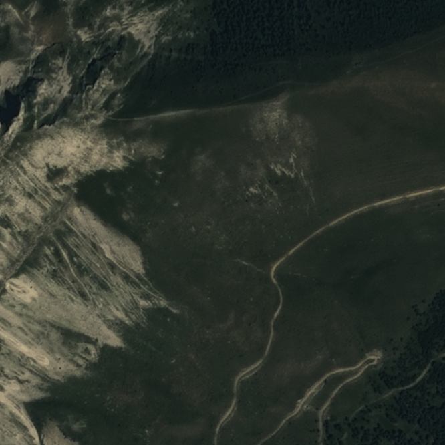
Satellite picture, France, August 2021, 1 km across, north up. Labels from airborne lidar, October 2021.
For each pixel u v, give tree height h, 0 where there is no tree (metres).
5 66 0
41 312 0
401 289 0
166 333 0
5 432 0
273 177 0
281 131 0
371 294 0
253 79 0
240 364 0
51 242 0
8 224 0
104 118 0
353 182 0
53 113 0
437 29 0
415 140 0
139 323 0
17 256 0
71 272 0
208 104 0
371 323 0
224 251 0
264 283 0
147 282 0
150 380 0
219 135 0
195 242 0
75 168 0
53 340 0
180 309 0
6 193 0
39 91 0
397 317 0
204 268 0
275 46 11
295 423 0
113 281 0
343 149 0
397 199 0
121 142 0
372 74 0
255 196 0
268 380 0
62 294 0
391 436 17
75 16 0
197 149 0
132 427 0
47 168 0
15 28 0
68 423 0
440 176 0
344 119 0
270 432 0
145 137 0
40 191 0
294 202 0
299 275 0
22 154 0
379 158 0
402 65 0
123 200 0
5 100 0
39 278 0
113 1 0
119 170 0
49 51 0
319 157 0
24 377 0
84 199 0
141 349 0
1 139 0
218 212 0
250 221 0
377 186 0
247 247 0
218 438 0
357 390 0
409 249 0
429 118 0
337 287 0
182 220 0
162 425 0
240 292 0
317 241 0
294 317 0
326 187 0
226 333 0
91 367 0
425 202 0
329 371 0
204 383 0
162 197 0
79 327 0
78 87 0
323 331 0
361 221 0
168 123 0
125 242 0
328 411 0
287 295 0
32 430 0
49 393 0
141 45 0
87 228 0
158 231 0
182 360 0
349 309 0
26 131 0
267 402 0
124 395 0
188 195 0
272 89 0
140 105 0
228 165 0
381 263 0
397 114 0
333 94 0
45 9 0
